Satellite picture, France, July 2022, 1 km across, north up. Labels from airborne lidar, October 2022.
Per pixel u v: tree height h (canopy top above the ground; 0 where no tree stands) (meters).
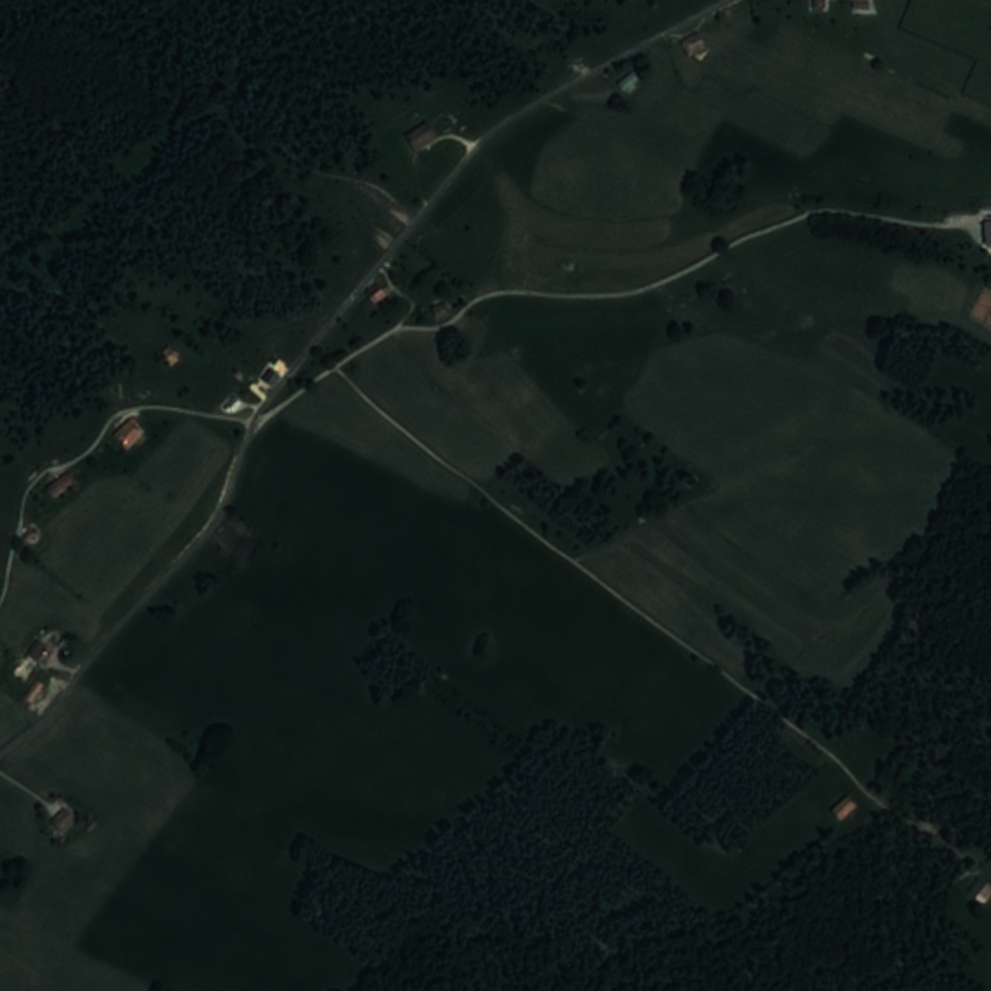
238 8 23
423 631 0
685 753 0
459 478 0
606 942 32
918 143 0
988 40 0
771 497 0
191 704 0
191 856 0
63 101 21
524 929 22
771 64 0
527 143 0
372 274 0
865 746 0
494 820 23
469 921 29
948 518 16
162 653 0
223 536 0
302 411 0
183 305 0
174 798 0
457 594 0
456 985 20
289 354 0
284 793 0
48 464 0
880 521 0
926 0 0
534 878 26
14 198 21
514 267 0
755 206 0
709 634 0
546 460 0
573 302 0
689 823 25
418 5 12
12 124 23
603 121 0
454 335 21
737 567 0
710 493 0
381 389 0
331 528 0
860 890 20
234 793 0
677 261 0
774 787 24
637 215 0
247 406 0
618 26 0
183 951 0
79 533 0
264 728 0
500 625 0
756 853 0
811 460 0
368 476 0
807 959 17
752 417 0
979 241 0
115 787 0
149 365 0
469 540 0
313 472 0
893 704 14
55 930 0
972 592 18
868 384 0
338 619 0
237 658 0
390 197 0
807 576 0
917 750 8
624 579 0
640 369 0
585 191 0
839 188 0
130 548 0
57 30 25
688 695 0
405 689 21
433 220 0
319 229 12
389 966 10
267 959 0
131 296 10
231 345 8
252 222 24
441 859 22
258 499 0
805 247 0
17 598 0
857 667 0
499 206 0
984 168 0
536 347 0
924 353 27
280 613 0
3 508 0
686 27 0
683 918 24
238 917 0
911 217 0
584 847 28
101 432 0
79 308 13
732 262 0
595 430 0
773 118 0
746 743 22
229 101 21
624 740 0
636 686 0
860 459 0
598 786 22
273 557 0
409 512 0
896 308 0
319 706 0
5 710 0
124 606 0
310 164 21
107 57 24
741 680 0
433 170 0
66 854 0
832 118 0
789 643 0
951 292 0
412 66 23
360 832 0
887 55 0
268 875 0
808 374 0
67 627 0
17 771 0
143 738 0
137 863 0
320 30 9
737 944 18
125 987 0
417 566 0
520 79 10
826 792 0
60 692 0
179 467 0
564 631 0
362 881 26
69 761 0
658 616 0
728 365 0
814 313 0
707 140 0
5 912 0
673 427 0
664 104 0
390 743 0
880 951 18
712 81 0
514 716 0
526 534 0
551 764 24
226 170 21
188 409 0
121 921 0
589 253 0
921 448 0
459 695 6
